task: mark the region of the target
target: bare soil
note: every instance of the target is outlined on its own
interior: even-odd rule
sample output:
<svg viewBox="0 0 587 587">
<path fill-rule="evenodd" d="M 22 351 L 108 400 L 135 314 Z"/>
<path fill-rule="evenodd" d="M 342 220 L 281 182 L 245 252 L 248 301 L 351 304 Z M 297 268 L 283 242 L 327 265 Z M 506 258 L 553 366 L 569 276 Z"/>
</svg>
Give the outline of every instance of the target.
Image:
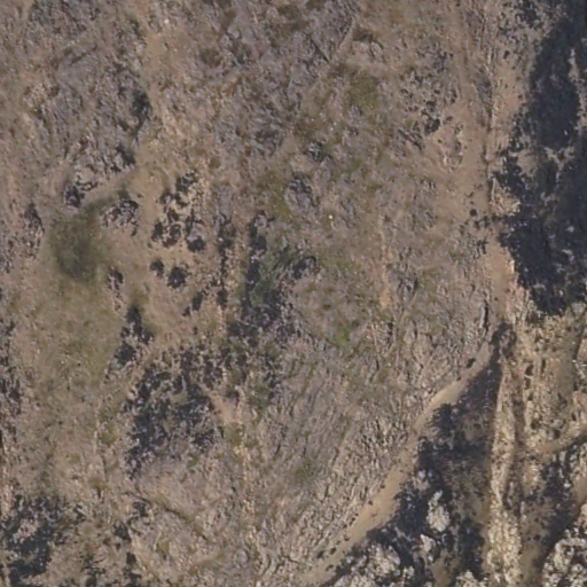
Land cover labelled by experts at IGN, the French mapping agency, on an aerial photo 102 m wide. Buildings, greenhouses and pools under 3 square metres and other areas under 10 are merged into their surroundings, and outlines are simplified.
<svg viewBox="0 0 587 587">
<path fill-rule="evenodd" d="M 500 186 L 495 172 L 504 172 L 504 163 L 516 158 L 521 172 L 527 177 L 534 177 L 548 163 L 555 163 L 555 179 L 562 179 L 564 167 L 573 161 L 576 154 L 573 147 L 550 149 L 546 144 L 539 144 L 534 138 L 543 128 L 527 112 L 530 73 L 534 69 L 537 55 L 541 53 L 541 39 L 550 34 L 550 21 L 543 0 L 0 0 L 0 587 L 11 587 L 11 564 L 30 564 L 37 559 L 32 550 L 21 550 L 23 541 L 30 539 L 44 523 L 53 527 L 53 539 L 48 543 L 50 562 L 44 573 L 23 578 L 25 585 L 41 587 L 406 587 L 415 571 L 410 566 L 399 566 L 399 557 L 376 546 L 367 537 L 367 532 L 385 525 L 397 514 L 399 502 L 394 495 L 399 491 L 426 488 L 424 470 L 417 463 L 417 454 L 420 447 L 424 443 L 431 443 L 438 433 L 438 426 L 431 417 L 443 404 L 456 404 L 459 394 L 488 365 L 488 360 L 500 365 L 502 376 L 495 404 L 495 431 L 491 449 L 491 493 L 475 500 L 475 521 L 484 527 L 486 537 L 484 578 L 475 580 L 472 573 L 463 573 L 461 587 L 587 587 L 587 298 L 566 307 L 566 312 L 559 316 L 550 316 L 548 312 L 539 310 L 532 303 L 530 291 L 518 284 L 516 264 L 509 248 L 502 248 L 498 243 L 500 234 L 514 234 L 514 225 L 504 225 L 504 218 L 518 211 L 518 199 L 509 195 L 504 186 Z M 124 415 L 124 401 L 138 397 L 138 383 L 149 365 L 156 365 L 161 367 L 161 371 L 170 374 L 181 371 L 179 346 L 190 349 L 193 344 L 197 344 L 193 337 L 193 326 L 199 328 L 199 339 L 206 339 L 206 326 L 211 321 L 225 321 L 222 307 L 218 305 L 218 291 L 238 289 L 243 284 L 241 259 L 250 250 L 248 225 L 257 227 L 257 232 L 264 234 L 266 241 L 282 238 L 282 245 L 291 248 L 291 252 L 300 250 L 300 255 L 316 255 L 321 266 L 319 273 L 303 273 L 303 277 L 294 284 L 294 291 L 284 296 L 294 305 L 289 310 L 294 316 L 294 328 L 300 332 L 300 337 L 291 337 L 284 355 L 280 355 L 273 406 L 268 406 L 266 410 L 257 410 L 250 406 L 243 408 L 225 397 L 216 397 L 216 408 L 206 410 L 202 406 L 202 415 L 197 422 L 199 431 L 213 429 L 213 445 L 199 459 L 197 465 L 190 465 L 188 456 L 181 456 L 179 461 L 163 461 L 156 459 L 151 452 L 144 452 L 147 459 L 142 463 L 142 475 L 128 477 L 126 454 L 140 440 L 131 438 L 133 422 Z"/>
<path fill-rule="evenodd" d="M 447 514 L 440 507 L 440 493 L 433 493 L 433 498 L 429 500 L 429 525 L 436 530 L 445 530 Z"/>
<path fill-rule="evenodd" d="M 587 128 L 587 66 L 578 66 L 576 50 L 569 50 L 569 78 L 578 94 L 576 128 Z"/>
</svg>

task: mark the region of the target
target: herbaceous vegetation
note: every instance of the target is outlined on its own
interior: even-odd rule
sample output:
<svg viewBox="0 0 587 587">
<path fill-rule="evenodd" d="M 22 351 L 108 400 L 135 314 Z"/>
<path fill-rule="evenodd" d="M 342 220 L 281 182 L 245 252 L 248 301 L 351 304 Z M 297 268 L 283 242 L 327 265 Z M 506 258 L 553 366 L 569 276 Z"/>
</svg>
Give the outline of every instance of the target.
<svg viewBox="0 0 587 587">
<path fill-rule="evenodd" d="M 576 128 L 578 94 L 569 78 L 569 50 L 576 50 L 578 66 L 587 66 L 587 0 L 543 0 L 550 21 L 550 34 L 541 39 L 541 53 L 537 55 L 534 69 L 530 73 L 527 112 L 543 128 L 534 138 L 539 144 L 546 144 L 550 149 L 573 147 L 576 154 L 573 161 L 564 167 L 562 179 L 555 179 L 555 163 L 548 163 L 534 177 L 527 177 L 521 172 L 516 158 L 504 163 L 504 172 L 495 172 L 500 186 L 504 186 L 509 195 L 518 199 L 518 211 L 504 218 L 504 225 L 514 225 L 514 234 L 500 234 L 498 243 L 502 248 L 509 248 L 516 264 L 518 284 L 530 291 L 532 303 L 539 310 L 548 312 L 550 316 L 559 316 L 566 312 L 566 307 L 587 298 L 587 128 Z"/>
<path fill-rule="evenodd" d="M 475 580 L 484 578 L 486 537 L 484 527 L 475 521 L 475 500 L 491 493 L 491 449 L 495 431 L 495 404 L 502 376 L 500 365 L 488 360 L 488 365 L 459 394 L 456 404 L 443 404 L 431 417 L 438 426 L 438 433 L 431 443 L 424 443 L 420 447 L 417 454 L 417 463 L 424 470 L 426 488 L 399 491 L 394 495 L 399 502 L 397 514 L 385 525 L 367 532 L 367 537 L 376 546 L 399 557 L 399 566 L 410 566 L 415 571 L 406 587 L 461 587 L 463 573 L 472 573 Z M 433 498 L 433 493 L 440 493 L 440 507 L 447 514 L 445 530 L 436 530 L 429 525 L 429 500 Z"/>
<path fill-rule="evenodd" d="M 44 573 L 50 562 L 48 543 L 53 539 L 53 527 L 44 523 L 30 539 L 23 541 L 21 550 L 32 550 L 37 559 L 30 564 L 11 564 L 11 587 L 41 587 L 25 585 L 23 578 Z"/>
<path fill-rule="evenodd" d="M 294 328 L 294 316 L 289 310 L 294 305 L 284 296 L 294 291 L 294 284 L 303 277 L 303 273 L 319 273 L 321 266 L 316 255 L 300 255 L 300 250 L 291 252 L 291 248 L 282 245 L 282 238 L 266 241 L 264 234 L 257 232 L 257 227 L 248 225 L 250 250 L 241 259 L 243 284 L 238 289 L 218 291 L 218 305 L 222 307 L 225 321 L 211 321 L 206 326 L 206 339 L 199 339 L 199 328 L 193 326 L 193 337 L 197 344 L 193 344 L 190 349 L 179 346 L 181 371 L 170 374 L 161 371 L 161 367 L 156 365 L 149 365 L 138 383 L 138 397 L 124 401 L 124 415 L 133 422 L 131 438 L 140 440 L 126 454 L 128 477 L 142 475 L 142 463 L 147 459 L 144 452 L 151 452 L 156 459 L 163 461 L 179 461 L 181 456 L 188 456 L 190 465 L 197 465 L 199 459 L 213 445 L 213 429 L 199 431 L 197 422 L 202 415 L 202 406 L 206 410 L 216 408 L 216 397 L 225 397 L 243 408 L 250 406 L 257 410 L 266 410 L 268 406 L 273 406 L 280 355 L 284 355 L 291 337 L 300 337 L 300 332 Z"/>
</svg>

